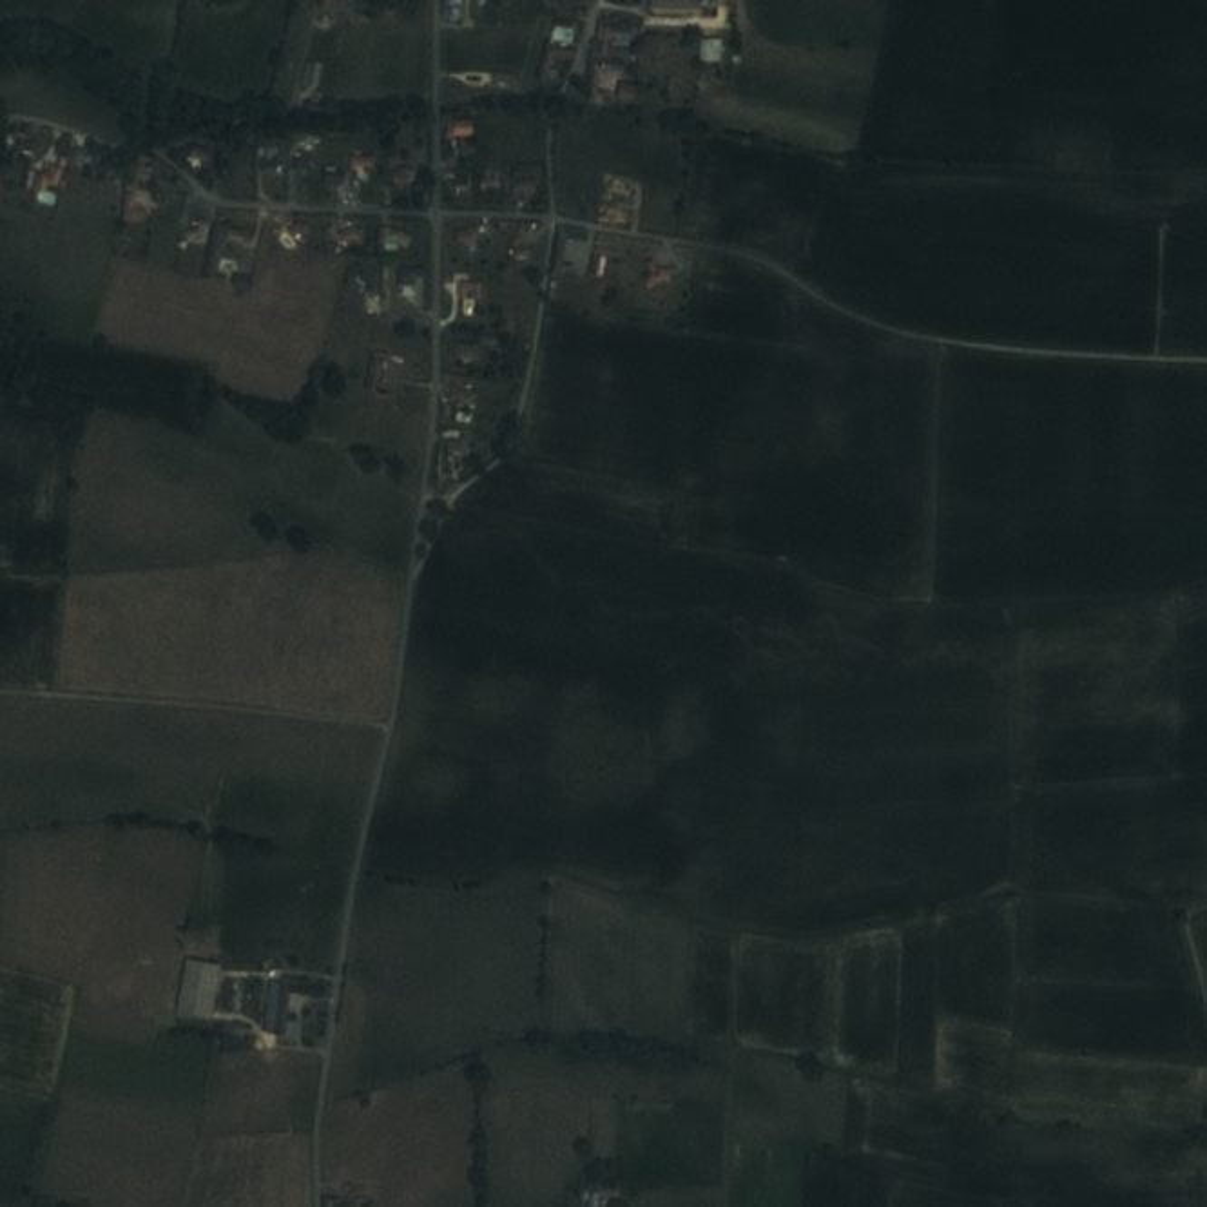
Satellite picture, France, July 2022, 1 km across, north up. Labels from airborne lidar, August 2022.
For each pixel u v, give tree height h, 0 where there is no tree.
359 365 0
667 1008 0
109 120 0
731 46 8
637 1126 0
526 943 0
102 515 0
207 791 0
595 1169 10
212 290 0
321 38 0
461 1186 0
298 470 0
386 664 0
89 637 0
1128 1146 0
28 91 0
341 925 0
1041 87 0
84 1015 0
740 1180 0
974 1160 0
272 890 0
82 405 20
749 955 0
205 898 0
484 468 10
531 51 0
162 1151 0
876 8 0
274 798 0
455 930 0
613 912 0
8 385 10
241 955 0
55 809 0
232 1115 0
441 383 0
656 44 0
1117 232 0
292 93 0
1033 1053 0
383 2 11
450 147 6
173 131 13
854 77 0
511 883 0
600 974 0
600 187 0
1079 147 0
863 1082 0
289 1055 0
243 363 0
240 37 0
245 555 0
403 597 0
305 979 6
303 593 0
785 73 0
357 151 0
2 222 0
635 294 0
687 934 0
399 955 0
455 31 0
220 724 0
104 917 0
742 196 0
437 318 0
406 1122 0
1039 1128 0
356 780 0
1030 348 0
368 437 0
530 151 0
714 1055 0
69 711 0
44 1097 0
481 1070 15
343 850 0
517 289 0
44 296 0
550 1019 0
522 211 0
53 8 0
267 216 0
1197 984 0
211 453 0
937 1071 0
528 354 8
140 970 0
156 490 0
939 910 14
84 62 26
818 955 0
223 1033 6
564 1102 0
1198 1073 0
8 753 0
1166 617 0
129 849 0
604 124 0
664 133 8
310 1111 0
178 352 0
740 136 11
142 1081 0
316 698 0
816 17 0
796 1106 0
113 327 0
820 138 0
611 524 0
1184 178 0
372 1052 0
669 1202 0
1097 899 0
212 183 10
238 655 0
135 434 0
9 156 6
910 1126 0
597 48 0
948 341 0
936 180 0
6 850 0
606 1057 25
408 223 0
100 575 0
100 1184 0
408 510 0
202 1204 0
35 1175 0
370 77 0
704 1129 0
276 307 0
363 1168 0
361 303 0
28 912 0
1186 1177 0
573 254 0
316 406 14
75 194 0
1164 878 0
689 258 0
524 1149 0
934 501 0
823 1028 0
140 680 0
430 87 0
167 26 0
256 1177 0
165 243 0
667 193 0
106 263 0
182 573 0
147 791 0
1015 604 0
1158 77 0
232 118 12
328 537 0
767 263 0
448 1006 0
